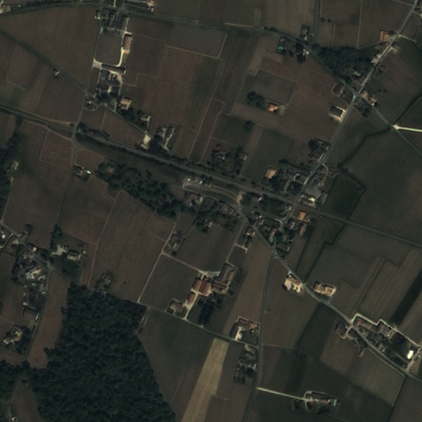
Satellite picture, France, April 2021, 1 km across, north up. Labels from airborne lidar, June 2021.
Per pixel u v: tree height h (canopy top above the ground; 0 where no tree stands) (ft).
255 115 0
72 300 50
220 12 0
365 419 0
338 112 0
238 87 0
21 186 0
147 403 45
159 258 0
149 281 0
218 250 0
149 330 0
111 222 0
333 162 0
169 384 0
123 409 21
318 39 0
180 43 0
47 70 0
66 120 0
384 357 0
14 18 0
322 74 0
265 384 0
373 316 0
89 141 62
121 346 54
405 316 0
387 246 0
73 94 0
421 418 0
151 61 0
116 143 0
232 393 0
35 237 0
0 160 53
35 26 0
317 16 0
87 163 0
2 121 0
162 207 33
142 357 70
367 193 0
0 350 0
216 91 0
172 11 0
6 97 0
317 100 0
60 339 21
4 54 0
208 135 0
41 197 0
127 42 0
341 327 0
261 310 0
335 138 0
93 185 0
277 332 0
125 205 0
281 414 0
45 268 23
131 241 0
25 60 0
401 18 0
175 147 0
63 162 0
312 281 0
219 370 0
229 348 0
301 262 0
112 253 0
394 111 0
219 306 26
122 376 49
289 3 0
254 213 0
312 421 0
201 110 0
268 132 0
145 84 0
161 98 0
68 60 0
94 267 0
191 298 0
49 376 26
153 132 0
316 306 0
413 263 0
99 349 49
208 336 0
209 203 0
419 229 0
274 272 0
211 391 0
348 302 0
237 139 0
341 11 0
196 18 0
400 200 0
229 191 0
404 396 0
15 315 0
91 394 43
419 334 0
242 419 0
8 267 0
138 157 22
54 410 82
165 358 0
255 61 0
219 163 32
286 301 0
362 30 0
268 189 19
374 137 0
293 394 0
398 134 0
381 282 0
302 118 0
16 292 0
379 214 0
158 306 0
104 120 0
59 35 0
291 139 0
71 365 68
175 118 0
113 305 62
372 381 0
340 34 0
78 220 0
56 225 0
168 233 0
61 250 0
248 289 0
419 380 0
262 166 0
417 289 0
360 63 54
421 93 0
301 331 0
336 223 0
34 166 0
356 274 0
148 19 0
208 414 0
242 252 0
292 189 26
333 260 0
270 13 0
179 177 0
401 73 0
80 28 0
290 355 0
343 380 0
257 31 0
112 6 0
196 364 0
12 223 0
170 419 78
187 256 0
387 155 0
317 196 0
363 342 44
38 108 0
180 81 0
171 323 0
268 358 0
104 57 0
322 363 0
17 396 0
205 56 0
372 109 47
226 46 0
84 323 76
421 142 0
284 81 0
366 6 0
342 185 0
